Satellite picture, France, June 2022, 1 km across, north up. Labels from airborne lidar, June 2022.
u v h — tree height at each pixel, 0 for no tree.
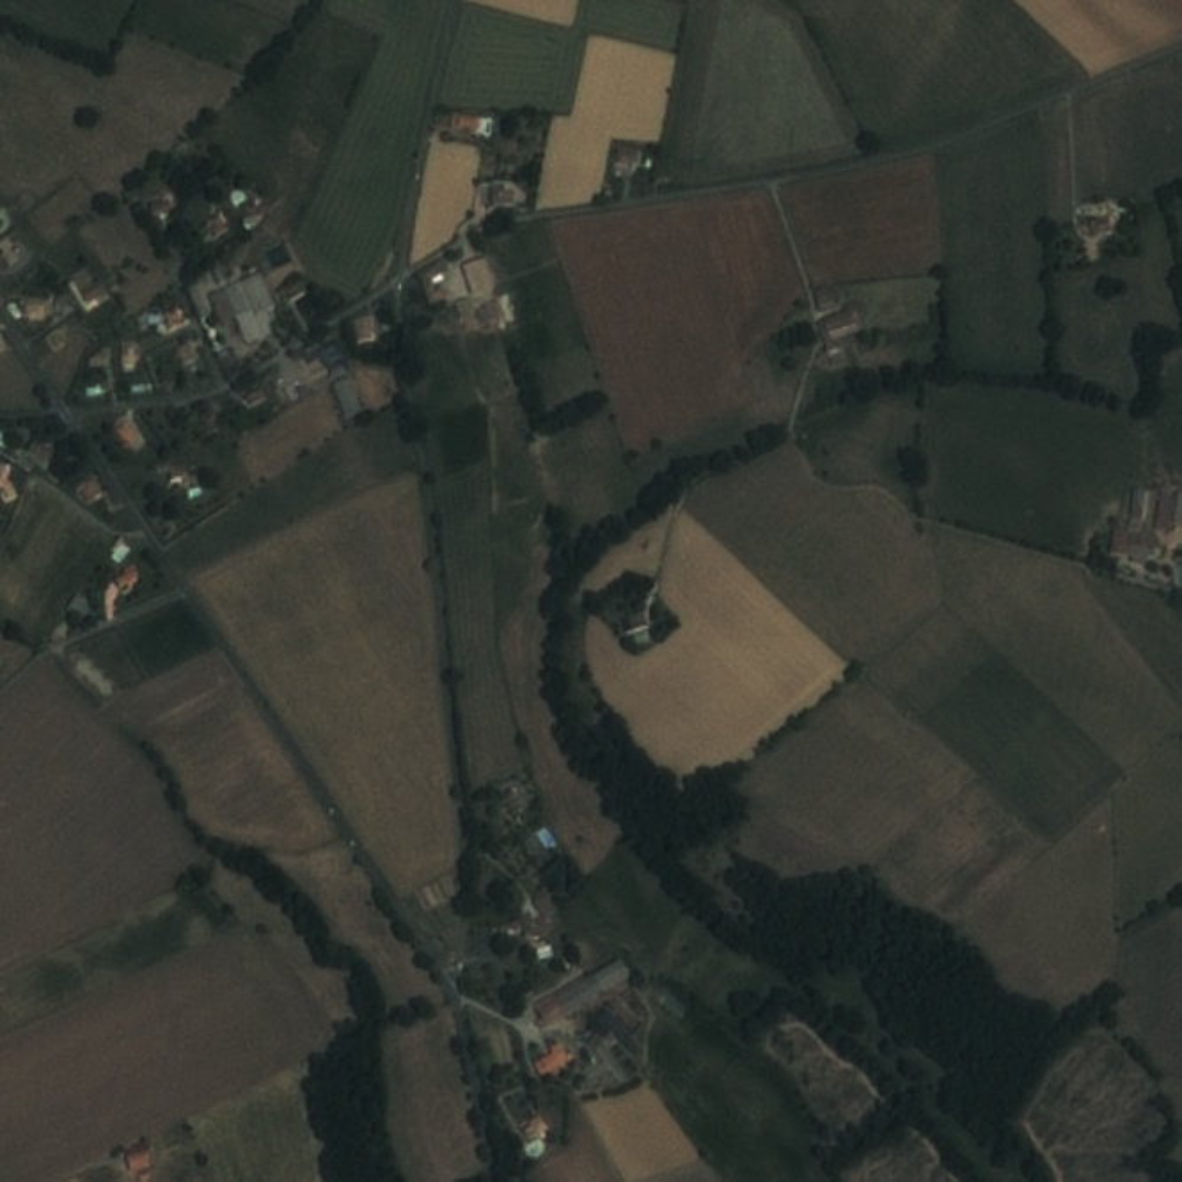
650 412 0
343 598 0
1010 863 0
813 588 0
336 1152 18
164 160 12
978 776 0
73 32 0
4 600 0
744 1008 19
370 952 0
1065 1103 0
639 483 0
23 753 0
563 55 0
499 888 16
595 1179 0
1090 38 0
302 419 0
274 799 0
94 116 16
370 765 0
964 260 0
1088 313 0
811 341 15
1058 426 0
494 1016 0
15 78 0
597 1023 7
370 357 10
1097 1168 0
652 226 0
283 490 0
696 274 0
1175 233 10
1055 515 0
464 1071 9
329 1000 0
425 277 0
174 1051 0
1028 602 0
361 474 0
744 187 0
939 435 0
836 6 0
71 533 0
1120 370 0
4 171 0
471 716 0
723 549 0
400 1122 0
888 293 0
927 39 0
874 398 15
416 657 0
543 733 0
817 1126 9
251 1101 0
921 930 18
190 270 13
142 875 0
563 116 0
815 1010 25
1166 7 0
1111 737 0
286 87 0
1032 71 0
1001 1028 21
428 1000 8
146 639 0
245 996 0
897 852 0
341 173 0
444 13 0
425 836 0
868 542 0
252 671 0
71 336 0
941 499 0
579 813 0
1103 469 0
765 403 0
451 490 0
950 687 0
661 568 0
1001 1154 17
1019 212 0
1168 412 0
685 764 0
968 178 0
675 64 0
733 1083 0
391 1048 0
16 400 0
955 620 0
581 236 0
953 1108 26
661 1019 0
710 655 0
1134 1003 0
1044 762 0
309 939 13
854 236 0
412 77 0
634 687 0
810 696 0
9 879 0
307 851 0
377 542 0
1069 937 0
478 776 0
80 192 0
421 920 0
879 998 22
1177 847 0
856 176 0
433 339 0
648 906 0
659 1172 0
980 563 0
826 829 0
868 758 0
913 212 0
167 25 0
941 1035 14
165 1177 0
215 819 0
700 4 0
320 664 0
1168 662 0
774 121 0
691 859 0
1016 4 0
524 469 0
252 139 0
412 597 0
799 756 0
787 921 21
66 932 0
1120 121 0
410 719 0
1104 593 0
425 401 0
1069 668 0
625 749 20
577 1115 0
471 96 0
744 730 0
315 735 0
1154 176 0
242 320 0
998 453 0
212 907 0
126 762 0
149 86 0
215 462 0
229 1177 0
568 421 18
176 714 0
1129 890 0
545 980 0
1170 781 0
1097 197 7
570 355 0
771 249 0
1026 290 0
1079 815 0
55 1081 0
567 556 27
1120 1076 0
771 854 0
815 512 0
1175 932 0
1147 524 0
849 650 0
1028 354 0
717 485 0
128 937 0
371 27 0
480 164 0
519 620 0
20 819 0
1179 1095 0
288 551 0
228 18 0
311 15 12
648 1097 0
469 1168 0
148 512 10
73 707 0
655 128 0
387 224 0
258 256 0
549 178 0
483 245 11
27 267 0
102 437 10
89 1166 0
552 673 19
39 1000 0
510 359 11
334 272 0
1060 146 0
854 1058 18
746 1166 0
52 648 0
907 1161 0
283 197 0
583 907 0
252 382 11
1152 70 0
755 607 0
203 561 0
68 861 0
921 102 0
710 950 0
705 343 0
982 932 0
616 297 0
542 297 0
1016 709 0
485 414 0
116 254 0
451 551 0
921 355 0
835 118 0
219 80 0
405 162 0
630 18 0
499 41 0
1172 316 0
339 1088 23
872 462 0
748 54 0
